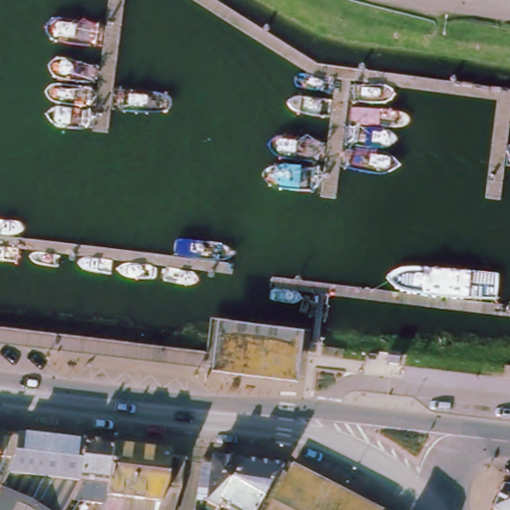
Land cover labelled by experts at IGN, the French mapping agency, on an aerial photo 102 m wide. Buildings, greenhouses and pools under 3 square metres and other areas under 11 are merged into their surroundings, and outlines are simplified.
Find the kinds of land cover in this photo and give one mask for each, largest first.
<instances>
[{"label":"water","instance_id":"1","mask_svg":"<svg viewBox=\"0 0 510 510\"><path fill-rule=\"evenodd\" d=\"M100 24H108V0H0V233H22L28 239L181 255L189 259L223 261L231 265V273L227 275H209L205 271H199V275H195L173 267L163 269V265H122L118 259H80V263L76 265L68 255L60 257L58 261L54 257V249H46V253H30L28 249L18 251L16 247H0V327L205 351L213 343V329H209V319L225 317L233 321L303 329L305 351H313L315 343L323 341L327 335L341 331L371 337L398 335L406 339H436L442 335H450L456 341L464 343L510 345V317L351 297H327L325 289L271 283V277H301L309 281H325L351 287H373L382 291H400V287H406L410 283L422 287V297H498L502 305H510V169L504 171L500 199L486 197L488 159L496 112L494 100L422 92L408 88H400L394 94L392 88L386 86L361 88V96H349L345 114V126H349V137L353 141L343 145L345 151H349V167L341 169L339 173L337 195L333 199L321 197L311 175L313 167H325L321 141L329 139V98H333V94L343 86L339 74L327 76L323 80H305V70L287 62L273 50L265 48L241 30L233 28L231 24L211 14L193 0H124V22L120 34L116 82L112 92L104 94L106 104L102 112L110 116V129L100 133L88 127L94 122L92 90H100V86L104 84V56L100 48H96V44ZM225 6L239 12L241 16L249 18L251 22L267 26L273 36L281 38L283 42L313 58L315 62L349 68L363 64L369 70L436 80L456 78L458 82L510 90V68L329 40L293 24L291 20L283 18L281 14H277L275 10L267 8L257 0H219Z\"/></svg>","mask_w":510,"mask_h":510},{"label":"impervious surface","instance_id":"2","mask_svg":"<svg viewBox=\"0 0 510 510\"><path fill-rule=\"evenodd\" d=\"M124 22V0H108V24H100L96 44V48H100L104 56V84L100 86V90H92L94 122L88 127L100 133L110 129V116L102 112L106 104L104 94L112 92L116 82L120 34ZM211 14L231 24L233 28L241 30L265 48L273 50L287 62L305 70V80H323L327 76L339 74L343 86L333 94V98H329V139L321 141L325 167H313L311 175L321 197L333 199L337 195L339 173L341 169L349 167V151H345L343 145L353 141L349 137V126H345V114L349 96H361V88L386 86L392 88L394 94L400 88H408L422 92L494 100L496 112L488 159L486 197L500 199L504 171L510 169V90L458 82L456 78L436 80L369 70L363 64L349 68L315 62L313 58L283 42L281 38L273 36L267 26L251 22L249 18L241 16L239 12L225 6L219 0H193ZM367 6L410 14L424 20H430V16L450 14L496 18V24H508L510 20V0H355ZM0 247H16L18 251L28 249L30 253H46V249H54V257L58 261L60 257L68 255L76 265L80 263V259H118L122 265H163V269L173 267L195 275H199V271H205L209 275H227L231 273V265L223 261L189 259L181 255L28 239L22 233H0ZM271 283L325 289L327 297H351L510 317V305H502L498 297H422V287L410 283L406 287H400V291H382L373 287H351L325 281H309L301 277H271ZM209 329H213V343L205 351L0 327V410L24 412L36 410L38 406L46 414L70 418L76 422L88 420L90 424L104 428H112L114 424H153L191 434L195 438L193 452L183 456L179 468L171 470L169 474L171 480H181V490L173 504L175 510H179L187 496V488L197 492V488L209 486V474L213 466L205 458L209 446H219L223 454H235L241 458L257 456L269 460H283L285 464H303L315 470L317 474L379 504L382 510H494L498 504L510 500V365L504 367L500 373L492 375H470L410 367L406 365L404 355L392 353H377L373 359L357 361L345 359L341 349L325 347L323 341L315 343L313 351H305L303 329L233 321L225 317L209 319Z\"/></svg>","mask_w":510,"mask_h":510},{"label":"building","instance_id":"3","mask_svg":"<svg viewBox=\"0 0 510 510\"><path fill-rule=\"evenodd\" d=\"M195 438L191 434L153 424H114L112 428H104L90 424L88 420L76 422L70 418L46 414L38 406L36 410L24 412L0 410V510H175L173 504L181 490V480H171L169 474L171 470L179 468L183 456L193 452ZM205 458L213 466L209 474V486L197 488V492L187 488V496L179 510H382L379 504L317 474L315 470L303 464H285L283 460H269L257 456L241 458L235 454H223L219 446H209ZM494 510H510V500L498 504Z\"/></svg>","mask_w":510,"mask_h":510},{"label":"herbaceous vegetation","instance_id":"4","mask_svg":"<svg viewBox=\"0 0 510 510\"><path fill-rule=\"evenodd\" d=\"M267 8L275 10L277 14H281L283 18L291 20L293 24L329 40L510 68V20L508 24H496V18L450 14L430 16V20H424L410 14L367 6L355 0H257ZM325 347L341 349L345 359L357 361L373 359L377 353H392L404 355L406 365L410 367L470 375H492L500 373L504 367L510 365V345L464 343L456 341L450 335H442L436 339H406L398 335L371 337L341 331L327 335L323 341Z\"/></svg>","mask_w":510,"mask_h":510}]
</instances>
